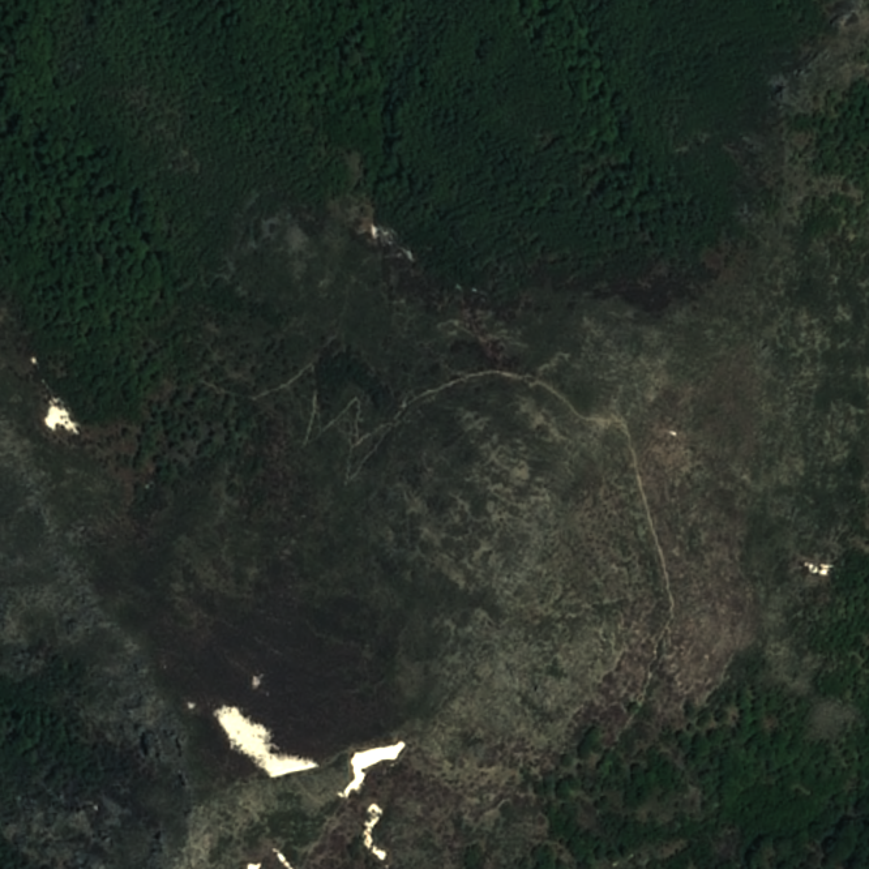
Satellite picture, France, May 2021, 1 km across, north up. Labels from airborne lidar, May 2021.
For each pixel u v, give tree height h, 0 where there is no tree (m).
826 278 0
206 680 0
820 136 5
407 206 16
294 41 15
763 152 0
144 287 18
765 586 0
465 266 6
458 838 0
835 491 0
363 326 0
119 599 0
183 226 9
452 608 0
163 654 0
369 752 0
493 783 0
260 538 0
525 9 24
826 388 0
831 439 0
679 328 0
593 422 0
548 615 0
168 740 0
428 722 0
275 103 18
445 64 11
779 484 0
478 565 0
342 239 0
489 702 0
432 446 0
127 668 0
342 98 9
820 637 7
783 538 0
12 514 0
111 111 6
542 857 21
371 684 0
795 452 0
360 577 0
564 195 11
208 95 12
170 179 8
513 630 0
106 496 0
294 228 0
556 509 0
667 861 7
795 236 0
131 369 15
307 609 0
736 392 0
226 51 24
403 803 0
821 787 12
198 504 0
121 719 0
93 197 22
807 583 0
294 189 6
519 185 12
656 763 8
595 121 25
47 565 0
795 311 0
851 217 9
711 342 0
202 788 0
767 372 0
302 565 0
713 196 8
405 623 0
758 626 0
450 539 0
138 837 0
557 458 0
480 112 15
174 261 11
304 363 0
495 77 5
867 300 0
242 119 14
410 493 0
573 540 0
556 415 0
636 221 17
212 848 0
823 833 16
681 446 0
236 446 9
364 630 0
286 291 0
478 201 10
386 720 0
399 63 13
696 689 0
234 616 0
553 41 18
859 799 12
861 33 0
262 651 0
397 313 0
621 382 0
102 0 9
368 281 0
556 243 10
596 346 0
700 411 0
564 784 21
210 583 0
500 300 7
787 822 13
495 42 12
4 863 12
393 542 0
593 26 16
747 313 0
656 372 0
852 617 9
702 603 0
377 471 0
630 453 0
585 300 0
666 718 0
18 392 0
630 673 0
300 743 0
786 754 20
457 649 0
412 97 23
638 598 0
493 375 0
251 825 0
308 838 0
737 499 0
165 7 13
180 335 10
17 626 0
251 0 14
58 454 0
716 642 0
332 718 0
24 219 23
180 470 7
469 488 0
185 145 5
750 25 7
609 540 0
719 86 9
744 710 16
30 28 25
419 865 0
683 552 0
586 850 14
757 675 9
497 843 0
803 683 0
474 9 6
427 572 0
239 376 0
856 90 14
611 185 19
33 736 12
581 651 0
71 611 0
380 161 8
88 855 0
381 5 8
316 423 0
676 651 0
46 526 0
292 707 0
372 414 0
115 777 6
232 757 0
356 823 0
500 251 9
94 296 20
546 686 0
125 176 25
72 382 7
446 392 0
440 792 0
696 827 11
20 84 22
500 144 15
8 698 10
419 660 0
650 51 11
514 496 0
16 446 0
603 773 16
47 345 7
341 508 0
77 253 22
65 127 28
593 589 0
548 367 0
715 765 15
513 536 0
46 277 21
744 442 0
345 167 6
